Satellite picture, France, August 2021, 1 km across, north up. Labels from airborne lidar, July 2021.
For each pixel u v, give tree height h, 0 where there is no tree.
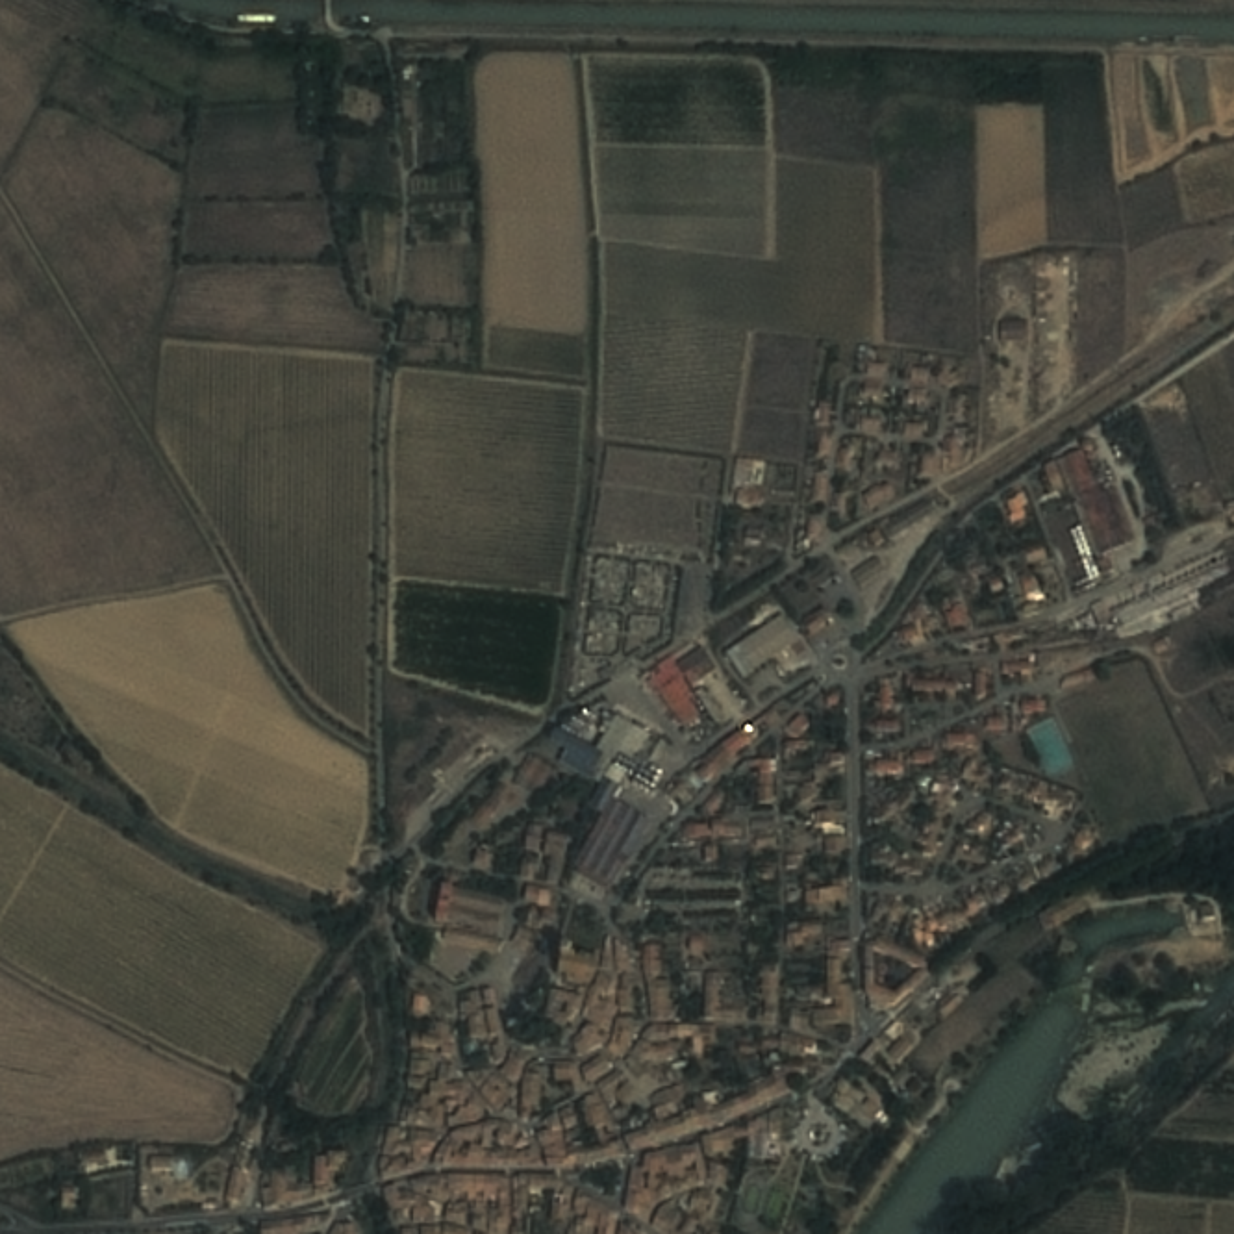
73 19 0
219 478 0
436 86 6
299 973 0
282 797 0
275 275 0
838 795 11
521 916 12
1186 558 0
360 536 0
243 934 0
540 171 0
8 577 0
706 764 0
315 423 0
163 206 0
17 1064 0
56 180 0
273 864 0
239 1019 0
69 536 0
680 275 0
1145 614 0
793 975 7
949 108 0
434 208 0
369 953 8
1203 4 0
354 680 0
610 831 0
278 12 0
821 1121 0
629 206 0
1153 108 0
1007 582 8
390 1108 11
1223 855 14
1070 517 0
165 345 0
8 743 0
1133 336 0
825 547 0
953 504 0
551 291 0
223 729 0
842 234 0
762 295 0
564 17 0
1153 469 7
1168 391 0
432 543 0
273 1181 0
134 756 0
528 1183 0
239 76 0
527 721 0
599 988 0
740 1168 7
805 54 11
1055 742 0
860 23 0
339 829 0
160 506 0
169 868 0
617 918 7
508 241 0
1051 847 0
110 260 0
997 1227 7
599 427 0
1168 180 0
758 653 0
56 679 0
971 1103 0
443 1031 0
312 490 0
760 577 8
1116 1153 16
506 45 0
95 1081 0
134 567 0
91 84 0
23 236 0
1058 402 0
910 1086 12
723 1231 7
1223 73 0
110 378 0
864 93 0
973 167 0
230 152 0
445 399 0
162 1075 0
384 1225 8
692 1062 8
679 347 0
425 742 0
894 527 0
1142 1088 0
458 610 0
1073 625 0
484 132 0
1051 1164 20
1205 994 0
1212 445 0
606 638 0
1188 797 0
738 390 0
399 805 0
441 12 0
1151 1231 0
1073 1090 0
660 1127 0
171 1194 0
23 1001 0
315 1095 0
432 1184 0
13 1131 0
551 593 0
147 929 0
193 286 0
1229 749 0
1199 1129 0
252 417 0
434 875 10
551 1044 10
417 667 0
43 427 0
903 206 0
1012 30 0
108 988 0
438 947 0
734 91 0
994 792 6
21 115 0
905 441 0
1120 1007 0
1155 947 0
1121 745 0
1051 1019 0
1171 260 0
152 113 0
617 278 0
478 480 0
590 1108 0
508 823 7
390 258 0
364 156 0
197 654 0
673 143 0
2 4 0
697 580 0
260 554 0
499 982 0
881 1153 9
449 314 8
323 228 0
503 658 0
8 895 0
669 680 0
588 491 0
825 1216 7
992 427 0
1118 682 0
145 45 0
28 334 0
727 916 7
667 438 0
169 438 0
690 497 0
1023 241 0
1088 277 0
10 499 0
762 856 6
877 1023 0
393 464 0
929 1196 0
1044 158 0
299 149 0
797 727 0
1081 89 0
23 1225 0
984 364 0
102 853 0
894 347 0
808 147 0
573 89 0
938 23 0
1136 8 0
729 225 0
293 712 0
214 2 0
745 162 0
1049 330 0
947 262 0
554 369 0
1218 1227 0
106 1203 0
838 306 0
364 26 9
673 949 0
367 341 0
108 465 0
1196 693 0
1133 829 0
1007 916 18
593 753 0
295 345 0
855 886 0
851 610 14
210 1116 0
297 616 0
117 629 0
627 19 0
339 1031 0
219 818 0
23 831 0
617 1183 6
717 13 0
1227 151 0
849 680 0
